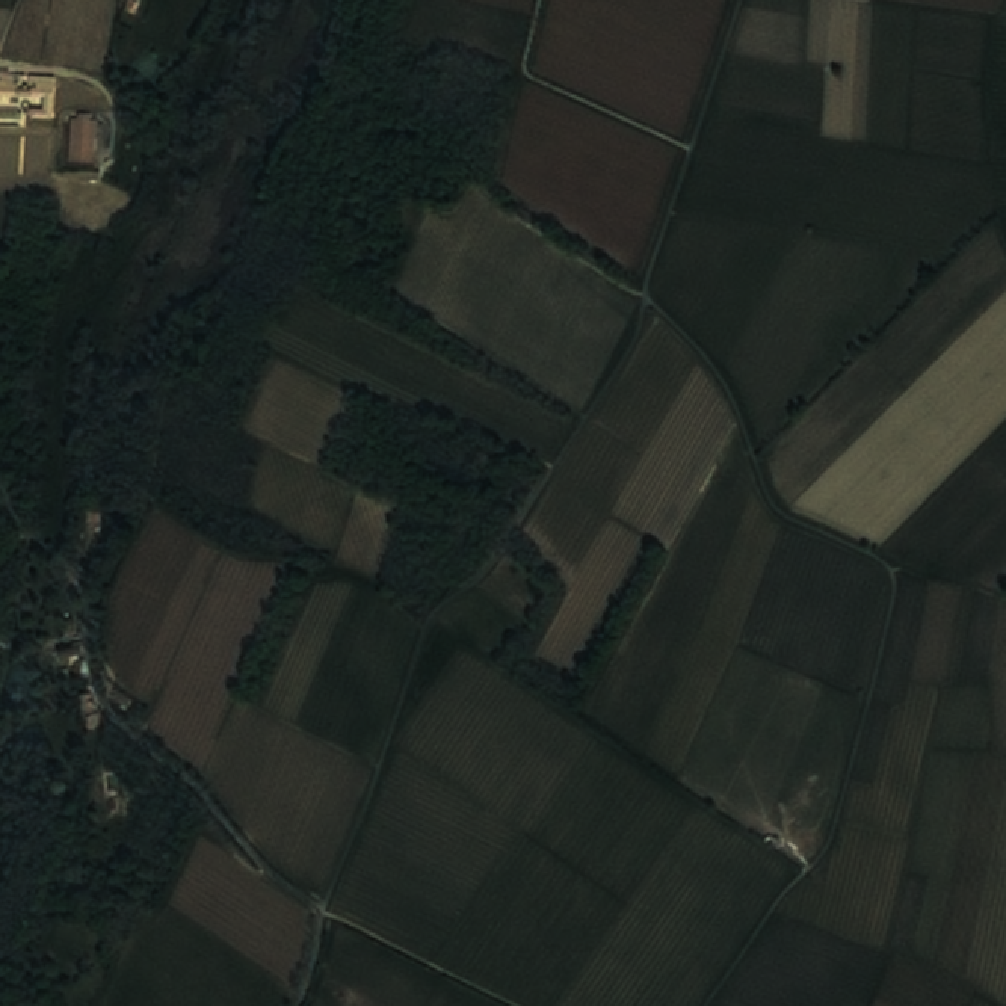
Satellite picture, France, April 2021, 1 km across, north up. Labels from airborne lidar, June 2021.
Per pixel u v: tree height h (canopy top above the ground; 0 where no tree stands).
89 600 11
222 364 15
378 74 19
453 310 0
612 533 0
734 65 0
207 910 0
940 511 0
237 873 0
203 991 0
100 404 16
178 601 0
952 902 0
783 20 0
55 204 13
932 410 0
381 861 0
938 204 0
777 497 0
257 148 12
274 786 0
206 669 0
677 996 0
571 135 0
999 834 0
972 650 0
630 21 0
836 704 0
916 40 0
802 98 0
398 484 17
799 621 0
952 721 0
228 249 10
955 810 0
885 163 0
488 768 0
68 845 26
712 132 0
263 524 19
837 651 0
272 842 0
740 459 0
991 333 0
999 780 0
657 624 0
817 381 0
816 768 0
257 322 22
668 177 0
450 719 0
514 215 14
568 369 0
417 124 16
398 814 0
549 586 19
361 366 0
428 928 0
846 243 0
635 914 0
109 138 0
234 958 0
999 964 0
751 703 0
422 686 0
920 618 0
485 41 0
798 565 0
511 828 0
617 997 0
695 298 0
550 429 0
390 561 16
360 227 15
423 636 0
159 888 7
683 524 0
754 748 0
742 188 0
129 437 21
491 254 0
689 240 0
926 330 0
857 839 0
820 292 0
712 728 0
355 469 17
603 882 0
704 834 0
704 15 0
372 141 18
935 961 0
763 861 0
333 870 0
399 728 0
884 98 0
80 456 14
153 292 0
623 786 0
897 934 0
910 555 0
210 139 18
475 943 0
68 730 0
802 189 0
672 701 0
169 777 19
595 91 0
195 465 12
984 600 0
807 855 0
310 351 0
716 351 0
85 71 0
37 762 19
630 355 0
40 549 15
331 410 0
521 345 0
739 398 0
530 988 0
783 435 6
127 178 0
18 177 0
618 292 0
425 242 0
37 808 20
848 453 0
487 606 0
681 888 0
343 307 9
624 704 0
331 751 0
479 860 0
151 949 0
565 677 15
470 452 21
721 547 0
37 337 16
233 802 0
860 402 0
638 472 0
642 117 0
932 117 0
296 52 0
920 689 0
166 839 14
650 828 0
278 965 0
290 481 0
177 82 13
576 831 0
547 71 0
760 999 0
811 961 0
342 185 17
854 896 0
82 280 0
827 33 0
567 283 0
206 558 0
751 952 0
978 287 0
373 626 0
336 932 0
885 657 0
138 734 15
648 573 16
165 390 20
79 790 10
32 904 25
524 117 0
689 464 0
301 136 21
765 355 0
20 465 13
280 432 0
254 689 17
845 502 0
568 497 0
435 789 0
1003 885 0
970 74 0
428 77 13
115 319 0
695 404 0
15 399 16
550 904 0
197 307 17
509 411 0
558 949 0
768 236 0
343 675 0
